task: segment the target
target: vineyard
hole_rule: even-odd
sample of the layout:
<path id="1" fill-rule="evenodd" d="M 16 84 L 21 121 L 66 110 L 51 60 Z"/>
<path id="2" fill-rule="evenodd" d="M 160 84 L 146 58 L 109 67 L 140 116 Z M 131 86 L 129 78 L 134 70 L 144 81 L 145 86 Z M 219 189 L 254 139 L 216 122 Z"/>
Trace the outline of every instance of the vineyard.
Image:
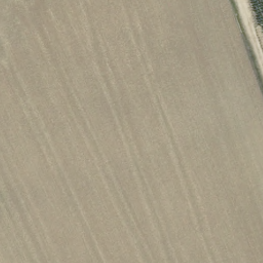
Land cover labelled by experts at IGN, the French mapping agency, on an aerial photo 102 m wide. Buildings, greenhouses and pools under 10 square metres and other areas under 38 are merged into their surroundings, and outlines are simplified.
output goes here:
<path id="1" fill-rule="evenodd" d="M 263 30 L 263 0 L 250 0 L 252 14 Z"/>

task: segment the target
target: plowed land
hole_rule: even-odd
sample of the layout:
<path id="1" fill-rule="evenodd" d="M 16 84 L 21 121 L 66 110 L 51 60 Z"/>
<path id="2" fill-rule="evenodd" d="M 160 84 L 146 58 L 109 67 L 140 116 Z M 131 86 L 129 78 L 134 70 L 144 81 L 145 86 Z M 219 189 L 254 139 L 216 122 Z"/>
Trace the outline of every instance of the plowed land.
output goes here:
<path id="1" fill-rule="evenodd" d="M 263 263 L 263 96 L 229 0 L 0 0 L 0 263 Z"/>

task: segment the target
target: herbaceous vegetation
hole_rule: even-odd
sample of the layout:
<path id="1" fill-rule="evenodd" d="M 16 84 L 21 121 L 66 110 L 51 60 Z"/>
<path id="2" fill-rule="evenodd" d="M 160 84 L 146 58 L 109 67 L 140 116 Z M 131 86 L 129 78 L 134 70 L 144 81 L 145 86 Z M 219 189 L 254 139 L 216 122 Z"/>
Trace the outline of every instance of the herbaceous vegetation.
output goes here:
<path id="1" fill-rule="evenodd" d="M 263 76 L 235 0 L 229 0 L 263 96 Z"/>

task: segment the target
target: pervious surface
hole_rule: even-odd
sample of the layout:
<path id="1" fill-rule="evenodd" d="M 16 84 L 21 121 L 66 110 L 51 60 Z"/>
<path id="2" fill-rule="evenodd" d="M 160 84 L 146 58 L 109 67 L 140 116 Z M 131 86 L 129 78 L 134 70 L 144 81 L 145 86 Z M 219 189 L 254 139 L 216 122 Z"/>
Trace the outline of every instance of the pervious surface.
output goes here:
<path id="1" fill-rule="evenodd" d="M 252 14 L 250 0 L 235 0 L 263 76 L 263 30 Z"/>

